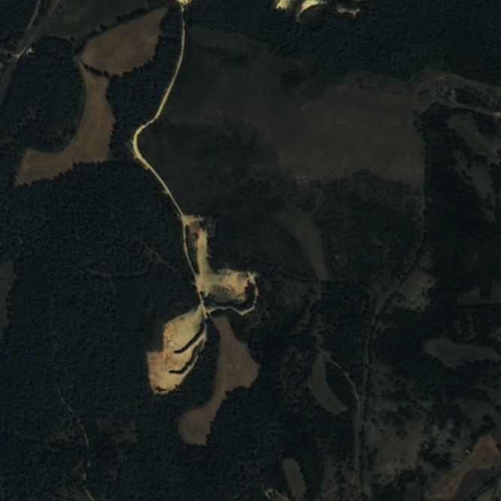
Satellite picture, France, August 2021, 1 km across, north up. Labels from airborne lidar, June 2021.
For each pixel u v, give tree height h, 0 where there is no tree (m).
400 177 0
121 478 12
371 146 0
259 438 9
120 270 13
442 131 11
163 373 0
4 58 12
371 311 7
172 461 8
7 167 17
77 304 15
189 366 0
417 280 0
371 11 7
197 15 16
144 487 14
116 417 15
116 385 13
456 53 12
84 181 20
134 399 15
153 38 0
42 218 16
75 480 9
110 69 0
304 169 0
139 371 11
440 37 16
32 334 17
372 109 0
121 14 0
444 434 0
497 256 11
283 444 12
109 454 8
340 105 0
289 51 8
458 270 16
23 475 10
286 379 7
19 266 14
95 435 9
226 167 0
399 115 0
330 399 0
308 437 9
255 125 0
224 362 0
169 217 16
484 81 10
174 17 20
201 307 0
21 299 17
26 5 16
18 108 14
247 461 13
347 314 5
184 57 0
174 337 0
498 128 7
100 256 14
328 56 8
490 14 18
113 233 15
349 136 0
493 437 0
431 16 9
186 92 0
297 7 0
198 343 0
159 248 11
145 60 0
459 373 12
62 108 12
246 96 0
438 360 11
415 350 15
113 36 0
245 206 0
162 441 12
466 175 6
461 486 0
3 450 19
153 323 0
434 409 9
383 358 10
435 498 0
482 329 13
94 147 0
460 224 17
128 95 13
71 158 0
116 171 17
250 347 10
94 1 0
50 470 11
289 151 0
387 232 10
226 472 15
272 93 0
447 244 11
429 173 9
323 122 0
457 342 13
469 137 0
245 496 12
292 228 0
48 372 17
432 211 11
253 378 0
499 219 11
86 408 16
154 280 12
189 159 0
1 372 10
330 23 11
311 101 0
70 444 6
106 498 6
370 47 8
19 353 17
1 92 0
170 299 8
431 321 12
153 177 6
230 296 0
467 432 0
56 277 17
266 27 9
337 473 6
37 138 14
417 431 0
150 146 0
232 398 13
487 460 0
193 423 0
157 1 13
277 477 10
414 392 6
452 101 0
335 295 11
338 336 13
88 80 0
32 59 12
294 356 9
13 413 18
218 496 8
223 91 0
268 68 0
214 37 0
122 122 16
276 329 10
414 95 0
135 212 18
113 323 15
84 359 16
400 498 10
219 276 0
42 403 16
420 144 0
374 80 0
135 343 11
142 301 6
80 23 0
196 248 0
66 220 12
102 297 14
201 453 13
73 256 17
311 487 9
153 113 12
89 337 15
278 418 7
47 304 19
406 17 10
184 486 15
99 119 0
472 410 0
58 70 15
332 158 0
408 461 0
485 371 7
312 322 9
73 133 13
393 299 7
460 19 12
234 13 14
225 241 7
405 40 14
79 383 16
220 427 16
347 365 8
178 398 15
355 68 7
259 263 8
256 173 0
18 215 17
